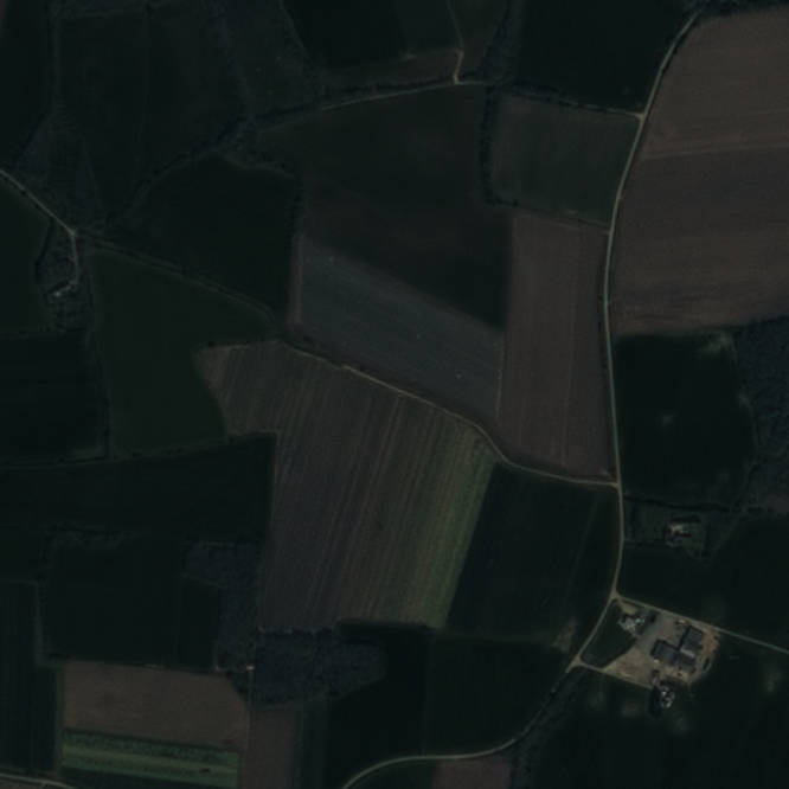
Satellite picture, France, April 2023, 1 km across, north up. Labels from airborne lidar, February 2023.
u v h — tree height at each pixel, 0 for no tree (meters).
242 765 0
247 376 0
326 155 0
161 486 0
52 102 10
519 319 0
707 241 0
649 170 0
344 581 0
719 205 0
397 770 0
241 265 0
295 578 0
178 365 0
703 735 0
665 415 0
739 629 0
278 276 0
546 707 11
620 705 0
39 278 13
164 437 0
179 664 0
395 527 0
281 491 0
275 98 0
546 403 0
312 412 0
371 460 0
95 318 15
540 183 0
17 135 0
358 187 0
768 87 0
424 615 0
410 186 0
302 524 0
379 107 0
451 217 0
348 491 0
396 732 0
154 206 0
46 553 7
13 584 0
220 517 0
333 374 0
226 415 0
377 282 0
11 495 0
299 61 6
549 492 0
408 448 0
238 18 0
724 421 0
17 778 0
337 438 0
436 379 0
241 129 7
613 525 0
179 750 0
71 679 0
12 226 0
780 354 12
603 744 0
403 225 0
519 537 0
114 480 0
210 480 0
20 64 0
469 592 0
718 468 0
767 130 0
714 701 0
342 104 0
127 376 0
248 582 17
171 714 0
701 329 0
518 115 0
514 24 14
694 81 0
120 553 0
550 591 0
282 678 14
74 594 0
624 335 0
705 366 0
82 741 0
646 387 0
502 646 0
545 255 0
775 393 12
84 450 0
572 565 0
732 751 0
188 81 0
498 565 0
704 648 0
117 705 0
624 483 0
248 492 0
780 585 0
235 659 9
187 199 0
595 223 0
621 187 0
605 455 0
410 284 0
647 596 0
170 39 0
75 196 19
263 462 0
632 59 0
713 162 0
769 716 0
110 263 0
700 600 0
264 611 0
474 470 0
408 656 0
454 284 0
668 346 0
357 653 14
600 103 0
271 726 0
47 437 0
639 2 0
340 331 0
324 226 0
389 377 0
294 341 0
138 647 0
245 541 10
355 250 0
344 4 0
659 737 0
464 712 0
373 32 0
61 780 0
